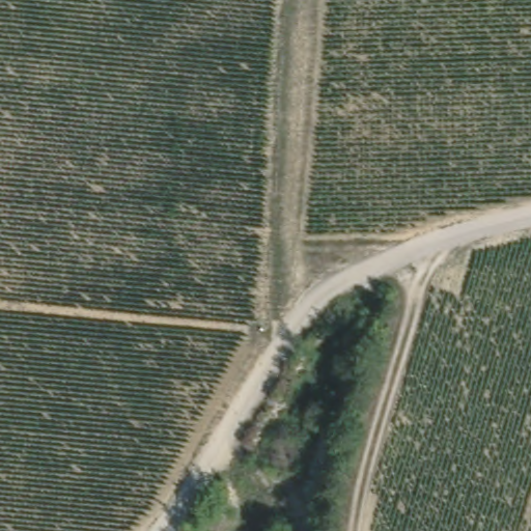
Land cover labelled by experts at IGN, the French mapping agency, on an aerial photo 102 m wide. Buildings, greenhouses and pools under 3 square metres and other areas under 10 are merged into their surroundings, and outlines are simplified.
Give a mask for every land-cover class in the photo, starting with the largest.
<instances>
[{"label":"vineyard","instance_id":"1","mask_svg":"<svg viewBox=\"0 0 531 531\"><path fill-rule=\"evenodd\" d=\"M274 0H0V301L245 324L247 319L255 317L251 290L255 288L259 263L257 228L261 226L263 216V147ZM307 232H382L388 234L386 247L404 245L425 234L427 230H444L463 224L475 216V209H483L485 205H502L516 197L531 199V0H328ZM392 431L384 440L382 454L378 458V467L373 473V494L378 496V504L373 508L371 531H531V236L496 245L471 253L469 268L458 295H452L436 286H427L400 392L390 415ZM241 342V332L0 309V531H131L141 516L147 514L151 506L153 498L160 492V485L166 481V473L178 458L183 444L187 442L189 431L195 427L205 402L216 392V384L232 357V351Z\"/></svg>","mask_w":531,"mask_h":531},{"label":"deciduous trees","instance_id":"2","mask_svg":"<svg viewBox=\"0 0 531 531\"><path fill-rule=\"evenodd\" d=\"M404 288L398 284V280L388 276L371 278L367 288L355 286L348 292L334 297L311 319V324L297 334L292 359L286 365V373L282 375L280 384L274 388V402L270 411L261 415L249 438L236 440L230 465L222 471H216L220 475V481H216L209 487V494L195 504L197 519L185 523L183 531H346L351 498L363 444L367 438L375 400L384 384L386 367L396 344L404 311Z\"/></svg>","mask_w":531,"mask_h":531},{"label":"herbaceous vegetation","instance_id":"3","mask_svg":"<svg viewBox=\"0 0 531 531\"><path fill-rule=\"evenodd\" d=\"M328 0H274L263 147V216L261 226L257 228L259 263L255 288L251 290L255 317L247 319L245 324L251 330L241 332V342L232 351V357L216 384V392L205 402L195 427L189 431L187 442L183 444L178 458L166 473V481L160 485V492L153 498L151 506L156 510H164L166 514L174 506V492L185 471H191L193 477H199L203 473L197 465V458L203 446L209 442L216 425L226 415L232 398L239 394L241 386L253 371L257 359L268 348L272 338H280L288 330L284 313L295 307V301L301 295H307L309 288L317 286L322 280H328L344 272L346 266L365 261L382 253L386 247L388 234L382 232H307ZM496 245L492 236H479L469 245L454 247L444 259V263H440L429 276L427 286H436L452 295H458L469 268L471 253Z\"/></svg>","mask_w":531,"mask_h":531},{"label":"impervious surface","instance_id":"4","mask_svg":"<svg viewBox=\"0 0 531 531\"><path fill-rule=\"evenodd\" d=\"M475 216L463 224L444 230H427L425 234L404 245L386 247L382 253L365 261L346 266L344 272L328 280H322L317 286L309 288L307 295H301L295 301V307L284 313L288 330L280 338H272L268 348L257 359L253 371L241 386L239 394L232 398L226 415L216 425L209 442L203 446L197 458V465L203 473L199 477H193L191 471H185L174 492V506L166 514L168 525L164 531H183L185 523L197 519L195 504L209 494V487L216 481H220V475L216 471H222L230 465L236 440L249 438L261 415L270 411L274 402V388L280 384L282 375L286 373V365L292 359L297 334L311 324V319L334 297L348 292L355 286L367 288L371 278L388 276L394 268L404 263H413L419 272L429 276L440 263H444V259L454 247L469 245L479 236H492L496 245L531 236V199L516 197L502 205H485L483 209H475Z\"/></svg>","mask_w":531,"mask_h":531},{"label":"pervious surface","instance_id":"5","mask_svg":"<svg viewBox=\"0 0 531 531\"><path fill-rule=\"evenodd\" d=\"M398 280V284L404 288V311L396 344L386 367L384 384L375 400L367 438L363 444L351 498L346 531H371L373 508L378 504V496L373 494V473L378 467V458L382 454L384 440L392 431L390 415L400 392L427 286L429 276L419 272L413 263H404L394 268L388 276ZM0 309L241 332L251 330L245 324L0 301ZM168 525L166 514L164 510H156L151 506L147 514L141 516L131 531H164Z\"/></svg>","mask_w":531,"mask_h":531}]
</instances>
